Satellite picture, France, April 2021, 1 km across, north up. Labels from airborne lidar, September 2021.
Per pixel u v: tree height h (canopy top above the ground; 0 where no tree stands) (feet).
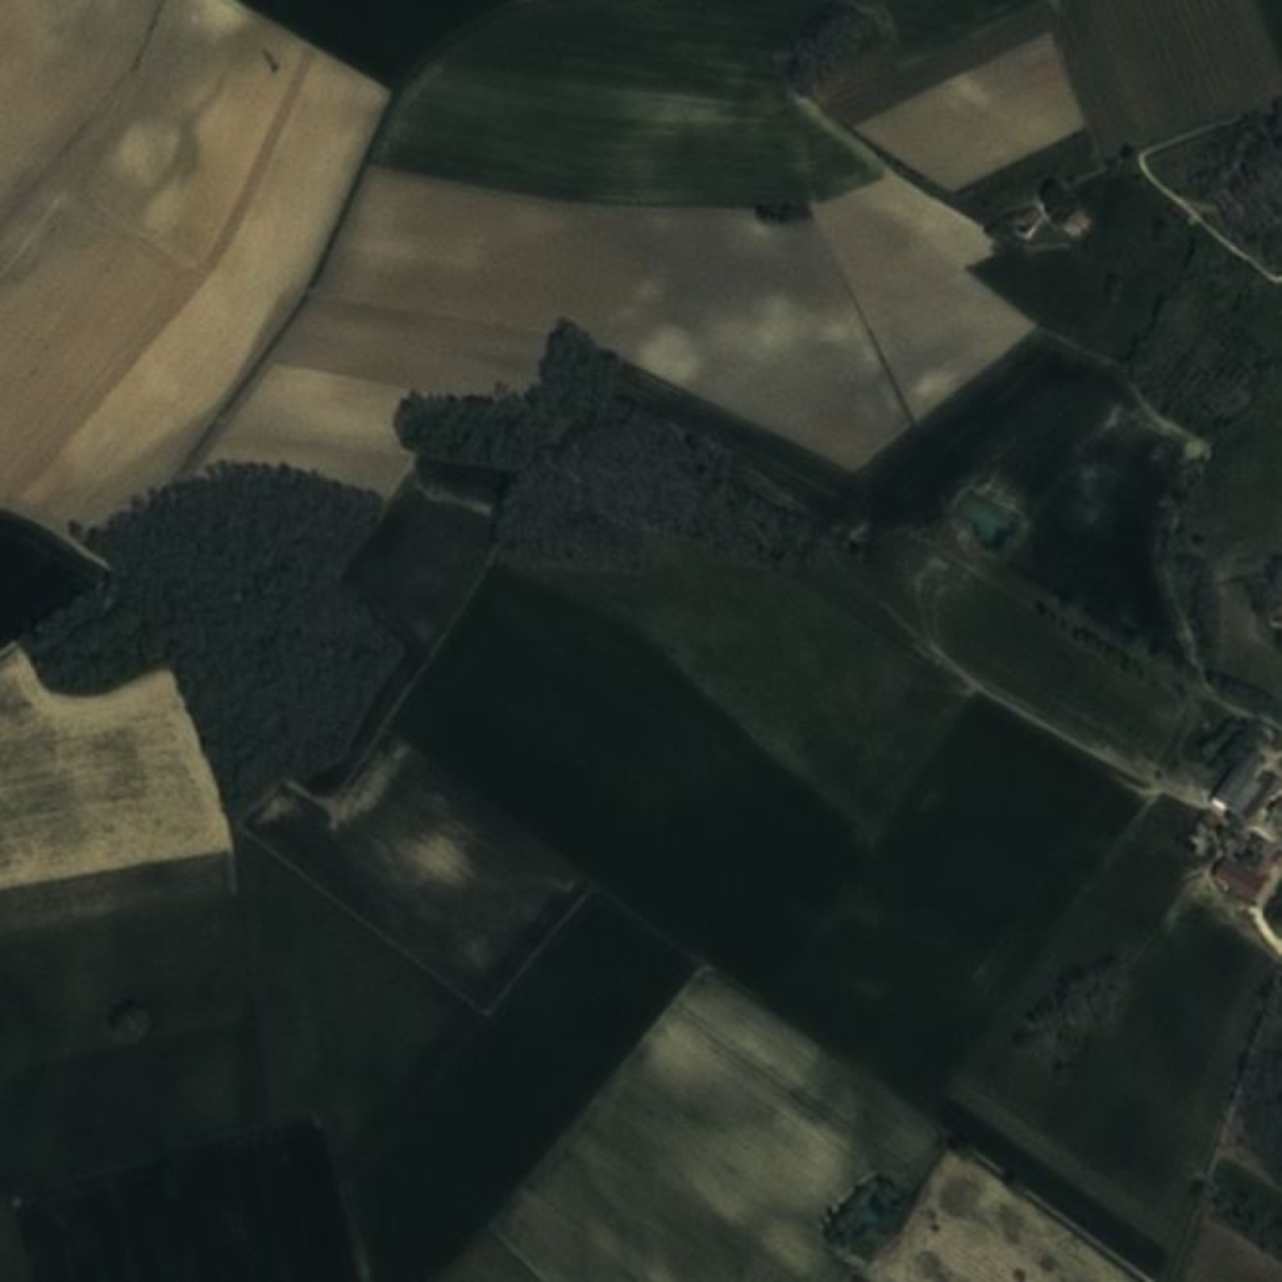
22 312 0
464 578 0
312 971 0
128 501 0
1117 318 0
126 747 0
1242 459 0
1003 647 0
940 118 0
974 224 0
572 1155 0
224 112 0
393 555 0
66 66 0
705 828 0
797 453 0
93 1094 0
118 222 0
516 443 65
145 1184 0
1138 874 0
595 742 0
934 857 0
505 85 0
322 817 0
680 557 0
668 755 0
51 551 0
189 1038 0
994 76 0
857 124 0
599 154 0
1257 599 43
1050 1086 0
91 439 0
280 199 0
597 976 0
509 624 0
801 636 0
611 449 63
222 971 0
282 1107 0
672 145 0
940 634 0
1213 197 29
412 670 0
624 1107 0
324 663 58
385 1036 0
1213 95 0
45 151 0
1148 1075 0
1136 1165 0
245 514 52
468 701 0
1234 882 0
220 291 0
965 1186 0
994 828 0
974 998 0
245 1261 0
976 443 0
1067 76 0
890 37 0
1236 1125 27
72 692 26
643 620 0
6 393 0
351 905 0
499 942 0
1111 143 0
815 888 0
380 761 0
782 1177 0
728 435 0
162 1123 0
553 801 0
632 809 0
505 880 0
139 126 0
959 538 0
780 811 0
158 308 0
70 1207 0
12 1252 0
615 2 0
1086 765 0
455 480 0
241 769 49
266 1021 0
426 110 0
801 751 0
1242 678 0
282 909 0
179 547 65
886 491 0
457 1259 0
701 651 0
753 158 0
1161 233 42
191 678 73
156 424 0
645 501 58
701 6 0
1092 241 0
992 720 0
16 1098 0
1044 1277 0
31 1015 0
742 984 0
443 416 46
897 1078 0
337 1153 0
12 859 0
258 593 60
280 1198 0
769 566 50
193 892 0
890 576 0
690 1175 0
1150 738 0
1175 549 48
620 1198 0
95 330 0
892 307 0
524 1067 0
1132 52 0
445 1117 0
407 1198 0
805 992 0
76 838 0
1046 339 0
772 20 0
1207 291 22
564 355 57
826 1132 0
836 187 0
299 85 0
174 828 0
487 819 0
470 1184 0
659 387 0
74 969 0
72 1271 0
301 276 0
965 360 0
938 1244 0
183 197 0
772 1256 0
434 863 0
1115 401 0
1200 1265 0
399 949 0
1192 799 0
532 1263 0
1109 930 0
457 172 0
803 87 51
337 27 0
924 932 0
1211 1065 0
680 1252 0
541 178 0
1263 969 0
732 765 0
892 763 0
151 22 0
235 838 0
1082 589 0
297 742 62
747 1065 0
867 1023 0
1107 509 0
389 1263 0
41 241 0
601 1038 0
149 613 70
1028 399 0
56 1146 0
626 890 0
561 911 0
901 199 0
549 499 67
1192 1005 0
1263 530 0
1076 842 0
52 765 0
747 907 0
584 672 0
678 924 0
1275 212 67
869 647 0
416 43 0
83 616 43
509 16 0
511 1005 0
